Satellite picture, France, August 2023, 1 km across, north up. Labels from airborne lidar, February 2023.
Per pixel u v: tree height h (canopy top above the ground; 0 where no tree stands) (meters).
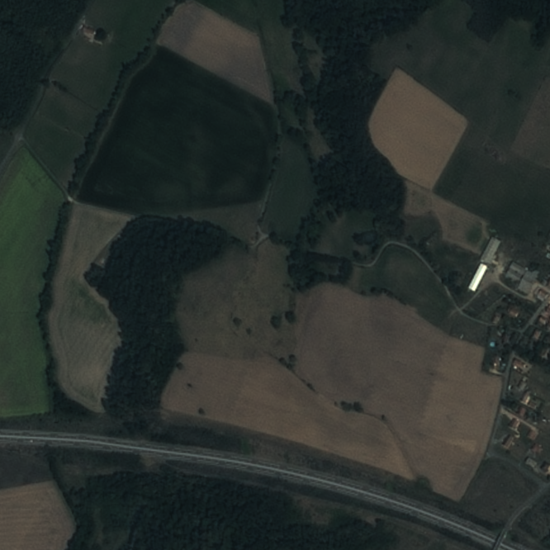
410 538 0
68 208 17
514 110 0
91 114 0
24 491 0
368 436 0
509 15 23
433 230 0
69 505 9
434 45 0
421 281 0
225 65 0
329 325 0
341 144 21
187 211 0
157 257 25
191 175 0
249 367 0
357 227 0
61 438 0
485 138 0
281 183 0
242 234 0
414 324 0
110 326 0
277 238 17
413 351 0
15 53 21
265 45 0
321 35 22
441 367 0
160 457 0
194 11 0
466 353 0
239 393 0
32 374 0
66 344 0
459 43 0
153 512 14
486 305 0
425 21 0
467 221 0
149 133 0
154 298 22
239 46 0
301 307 0
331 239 0
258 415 0
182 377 0
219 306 0
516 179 0
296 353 0
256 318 0
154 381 11
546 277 0
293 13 22
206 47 0
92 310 0
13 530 0
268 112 0
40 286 0
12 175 0
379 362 0
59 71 0
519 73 0
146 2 0
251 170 0
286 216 0
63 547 0
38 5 15
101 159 0
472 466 0
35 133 0
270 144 0
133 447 0
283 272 0
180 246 29
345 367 0
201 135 0
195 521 25
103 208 0
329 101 14
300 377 0
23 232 0
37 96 7
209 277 0
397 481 0
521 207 0
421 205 0
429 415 0
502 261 0
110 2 0
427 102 0
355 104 17
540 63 0
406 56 0
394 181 14
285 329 0
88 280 13
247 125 0
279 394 0
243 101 0
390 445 0
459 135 0
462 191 0
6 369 0
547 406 0
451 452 0
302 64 11
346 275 21
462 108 0
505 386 0
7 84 18
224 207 0
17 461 0
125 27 0
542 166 0
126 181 0
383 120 0
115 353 0
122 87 11
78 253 0
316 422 0
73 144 0
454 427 0
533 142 0
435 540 0
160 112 0
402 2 27
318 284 15
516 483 0
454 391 0
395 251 0
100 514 0
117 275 14
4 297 0
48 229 0
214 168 0
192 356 0
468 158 0
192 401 0
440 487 0
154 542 18
